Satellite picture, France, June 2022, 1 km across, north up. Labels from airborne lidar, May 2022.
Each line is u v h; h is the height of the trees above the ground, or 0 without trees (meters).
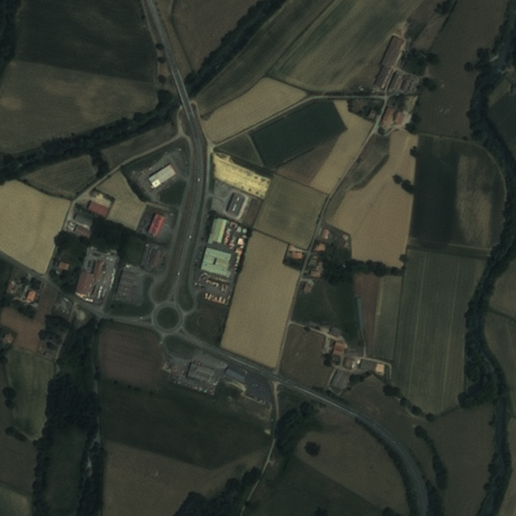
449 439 0
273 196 0
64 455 0
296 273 0
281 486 0
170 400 0
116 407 0
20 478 0
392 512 17
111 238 6
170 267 0
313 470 0
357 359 0
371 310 0
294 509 0
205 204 0
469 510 0
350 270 24
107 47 0
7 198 0
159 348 0
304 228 0
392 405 0
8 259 0
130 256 0
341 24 0
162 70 0
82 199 0
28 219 0
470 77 0
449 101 0
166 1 0
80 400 18
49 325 8
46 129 0
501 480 16
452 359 0
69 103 0
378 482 0
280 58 0
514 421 0
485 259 0
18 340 0
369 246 0
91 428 17
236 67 0
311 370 0
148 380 0
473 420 0
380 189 0
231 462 0
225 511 21
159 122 16
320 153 0
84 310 0
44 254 0
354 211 0
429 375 0
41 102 0
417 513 8
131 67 0
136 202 0
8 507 0
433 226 0
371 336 0
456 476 0
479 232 0
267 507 0
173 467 0
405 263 11
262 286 0
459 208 0
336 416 0
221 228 0
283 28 0
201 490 0
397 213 0
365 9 0
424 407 0
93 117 0
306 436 0
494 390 30
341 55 0
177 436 0
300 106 0
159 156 0
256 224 0
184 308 0
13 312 0
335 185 0
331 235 0
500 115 0
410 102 0
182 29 0
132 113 0
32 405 0
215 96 0
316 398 0
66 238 19
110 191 0
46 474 16
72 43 0
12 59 14
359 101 0
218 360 0
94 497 16
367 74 0
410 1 0
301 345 0
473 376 29
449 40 0
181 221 0
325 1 0
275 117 0
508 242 21
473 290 0
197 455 0
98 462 16
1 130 0
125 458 0
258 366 0
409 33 0
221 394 0
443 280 0
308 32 0
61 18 0
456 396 0
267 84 0
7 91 0
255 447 0
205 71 7
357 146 0
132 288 0
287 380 0
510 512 0
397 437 0
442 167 0
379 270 21
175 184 0
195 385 0
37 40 0
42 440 13
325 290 0
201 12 0
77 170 0
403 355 0
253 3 0
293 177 0
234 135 0
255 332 0
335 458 0
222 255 0
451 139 0
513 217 20
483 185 0
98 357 0
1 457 0
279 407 0
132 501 0
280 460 0
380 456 0
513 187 9
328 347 0
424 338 0
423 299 0
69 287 14
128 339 0
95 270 0
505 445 7
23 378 0
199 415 0
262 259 0
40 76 0
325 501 0
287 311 0
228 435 0
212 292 0
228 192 0
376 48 0
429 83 21
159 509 0
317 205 0
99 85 0
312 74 0
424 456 0
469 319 12
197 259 0
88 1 0
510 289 0
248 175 0
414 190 15
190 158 0
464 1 0
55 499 0
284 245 0
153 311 0
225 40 15
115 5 0
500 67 0
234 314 0
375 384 0
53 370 0
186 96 0
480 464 0
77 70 0
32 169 16
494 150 7
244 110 0
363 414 0
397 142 0
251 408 0
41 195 0
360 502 0
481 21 0
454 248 0
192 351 0
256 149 0
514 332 0
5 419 0
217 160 0
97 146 19
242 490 10
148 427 0
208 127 0
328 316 0
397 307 0
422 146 0
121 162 0
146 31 0
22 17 0
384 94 0
